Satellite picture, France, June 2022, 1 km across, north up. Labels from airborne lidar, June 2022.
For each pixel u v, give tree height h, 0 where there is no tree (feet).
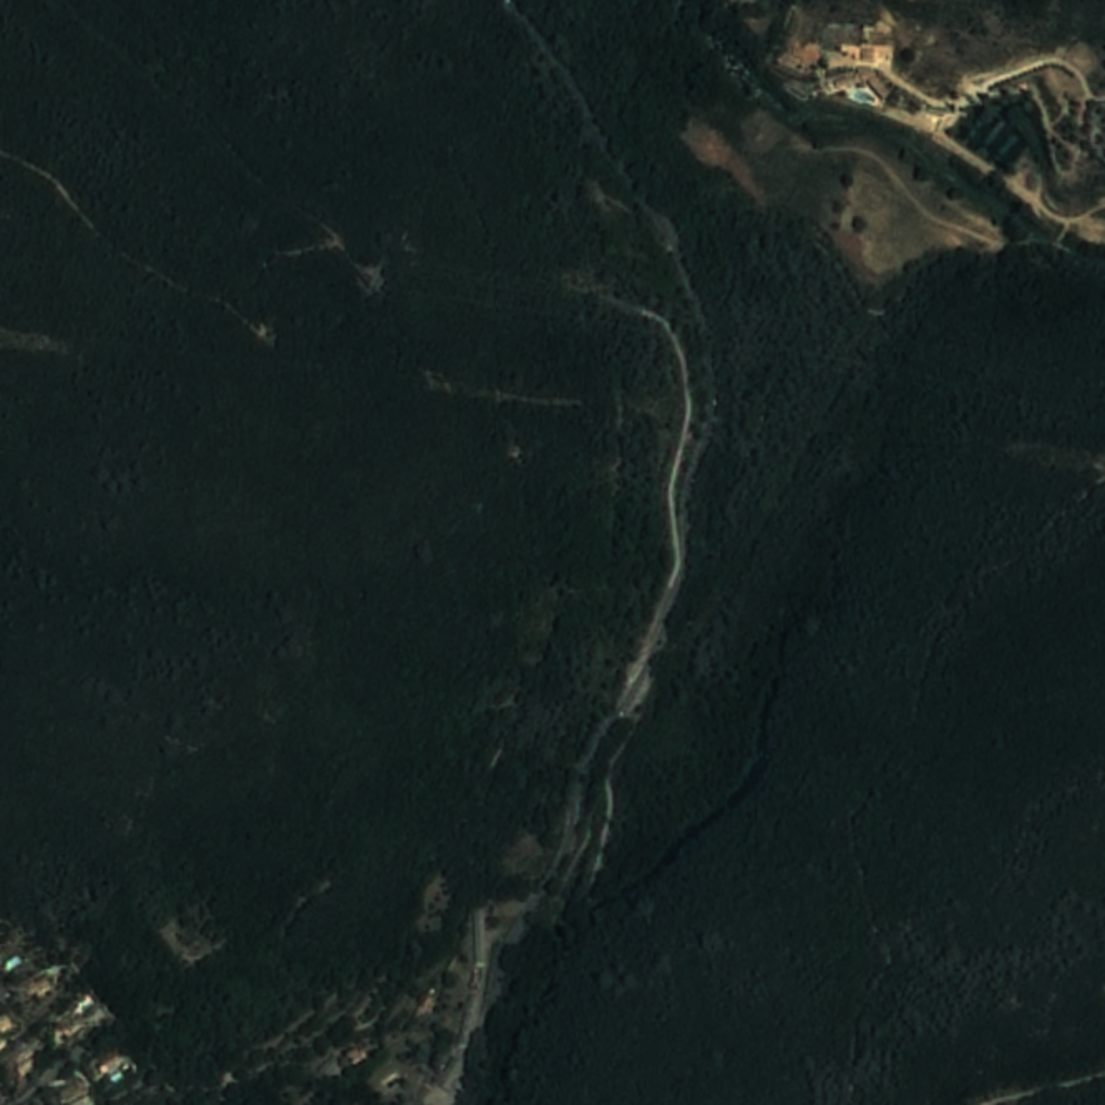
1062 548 53
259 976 45
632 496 37
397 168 25
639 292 52
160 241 47
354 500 29
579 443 37
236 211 29
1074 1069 23
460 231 39
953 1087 21
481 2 35
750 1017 35
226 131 28
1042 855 25
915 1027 65
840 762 45
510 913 0
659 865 31
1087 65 0
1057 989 20
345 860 35
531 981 27
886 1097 44
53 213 23
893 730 40
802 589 71
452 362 36
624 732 53
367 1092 56
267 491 30
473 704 38
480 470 43
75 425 27
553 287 35
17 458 30
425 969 31
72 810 32
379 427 37
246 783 30
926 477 33
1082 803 30
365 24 25
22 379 21
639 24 47
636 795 65
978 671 52
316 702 21
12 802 26
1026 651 57
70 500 24
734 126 0
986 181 21
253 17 31
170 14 37
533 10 50
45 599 30
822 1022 35
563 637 45
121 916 22
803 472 27
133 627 28
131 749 20
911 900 42
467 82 51
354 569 32
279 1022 40
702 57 32
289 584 25
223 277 36
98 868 27
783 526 59
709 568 43
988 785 42
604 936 50
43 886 40
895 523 41
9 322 20
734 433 67
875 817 41
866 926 46
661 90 79
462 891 53
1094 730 35
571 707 68
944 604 39
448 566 32
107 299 20
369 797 42
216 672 24
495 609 60
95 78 18
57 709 28
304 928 50
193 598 67
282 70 29
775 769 38
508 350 43
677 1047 41
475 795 47
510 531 36
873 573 39
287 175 27
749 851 30
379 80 27
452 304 33
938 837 34
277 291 34
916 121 0
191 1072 45
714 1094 32
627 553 57
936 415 32
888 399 34
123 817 25
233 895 41
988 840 31
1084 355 36
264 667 19
